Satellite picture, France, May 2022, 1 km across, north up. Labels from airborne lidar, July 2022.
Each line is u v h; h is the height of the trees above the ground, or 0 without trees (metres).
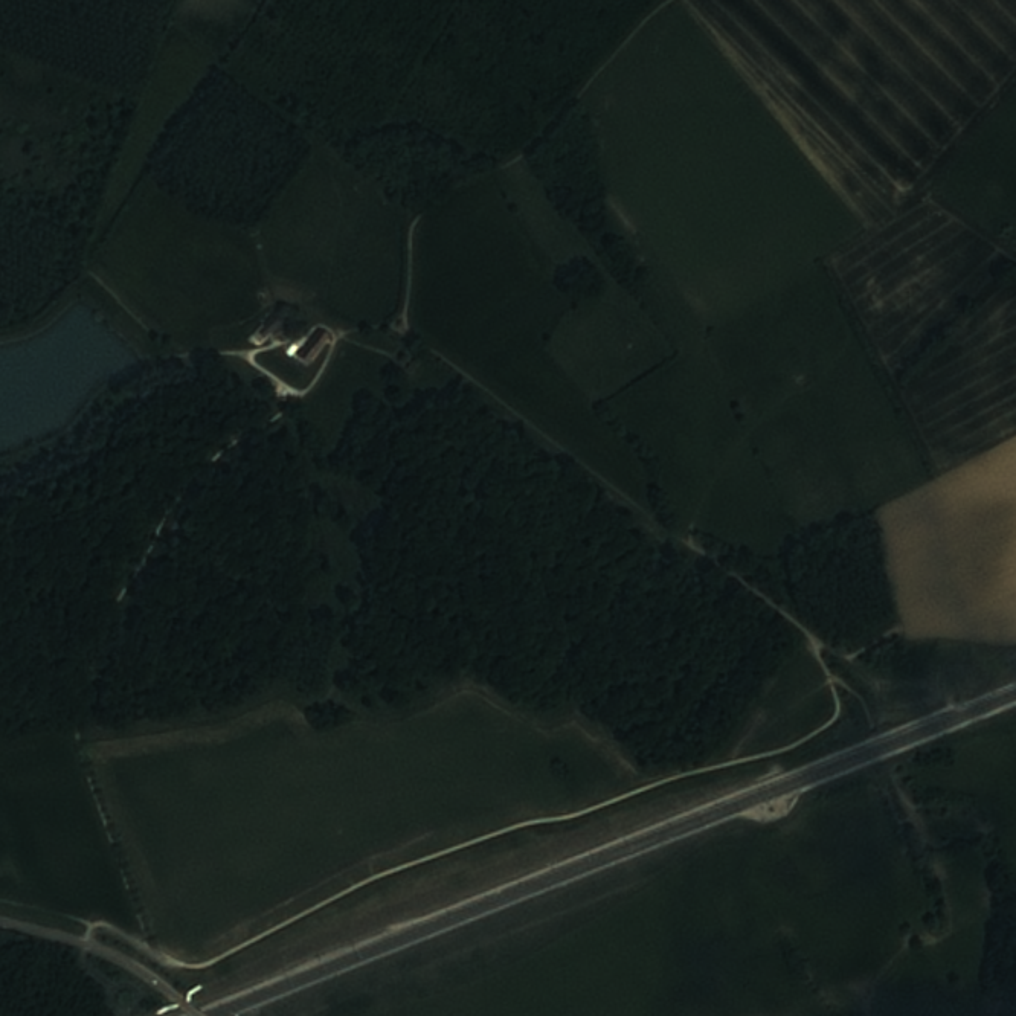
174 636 23
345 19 9
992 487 0
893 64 0
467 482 26
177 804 0
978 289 0
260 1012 0
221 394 16
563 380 0
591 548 25
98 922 0
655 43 0
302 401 12
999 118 0
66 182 0
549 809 0
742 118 0
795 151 0
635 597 25
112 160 11
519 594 23
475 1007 0
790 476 0
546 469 20
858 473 0
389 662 26
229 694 26
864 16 0
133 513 26
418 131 17
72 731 19
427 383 0
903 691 0
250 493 29
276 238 0
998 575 0
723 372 0
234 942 0
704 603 20
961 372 0
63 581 27
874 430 0
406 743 0
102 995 11
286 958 0
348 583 0
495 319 0
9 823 0
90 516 25
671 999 0
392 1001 0
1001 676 0
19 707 23
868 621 27
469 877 0
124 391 19
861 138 0
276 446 26
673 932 0
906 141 0
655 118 0
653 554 21
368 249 0
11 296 28
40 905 0
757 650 22
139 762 0
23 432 0
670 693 22
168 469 25
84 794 0
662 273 0
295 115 18
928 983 0
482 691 0
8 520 22
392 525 25
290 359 0
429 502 22
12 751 0
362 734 0
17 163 0
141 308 0
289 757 0
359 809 0
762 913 0
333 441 0
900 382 13
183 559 22
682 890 0
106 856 0
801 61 0
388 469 17
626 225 0
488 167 18
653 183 0
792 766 0
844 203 0
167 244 0
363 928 0
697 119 0
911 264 0
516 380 0
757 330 0
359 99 5
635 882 0
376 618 24
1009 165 0
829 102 0
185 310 0
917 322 0
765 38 0
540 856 0
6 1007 11
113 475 27
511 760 0
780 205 0
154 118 0
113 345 0
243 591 23
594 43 10
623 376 0
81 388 0
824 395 0
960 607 0
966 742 0
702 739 25
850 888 0
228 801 0
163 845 0
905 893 0
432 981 0
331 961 0
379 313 0
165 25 11
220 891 0
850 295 0
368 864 0
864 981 0
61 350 0
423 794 0
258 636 26
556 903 0
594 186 16
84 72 27
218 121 29
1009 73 0
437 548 25
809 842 0
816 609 31
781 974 0
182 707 20
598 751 0
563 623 25
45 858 0
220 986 0
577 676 20
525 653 24
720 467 0
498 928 0
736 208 0
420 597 26
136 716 17
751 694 18
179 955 0
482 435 22
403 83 9
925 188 0
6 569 22
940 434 0
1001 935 20
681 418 0
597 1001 0
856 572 28
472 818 0
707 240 0
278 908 0
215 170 33
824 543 23
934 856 19
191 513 24
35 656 28
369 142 24
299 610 26
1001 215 0
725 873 0
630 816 0
